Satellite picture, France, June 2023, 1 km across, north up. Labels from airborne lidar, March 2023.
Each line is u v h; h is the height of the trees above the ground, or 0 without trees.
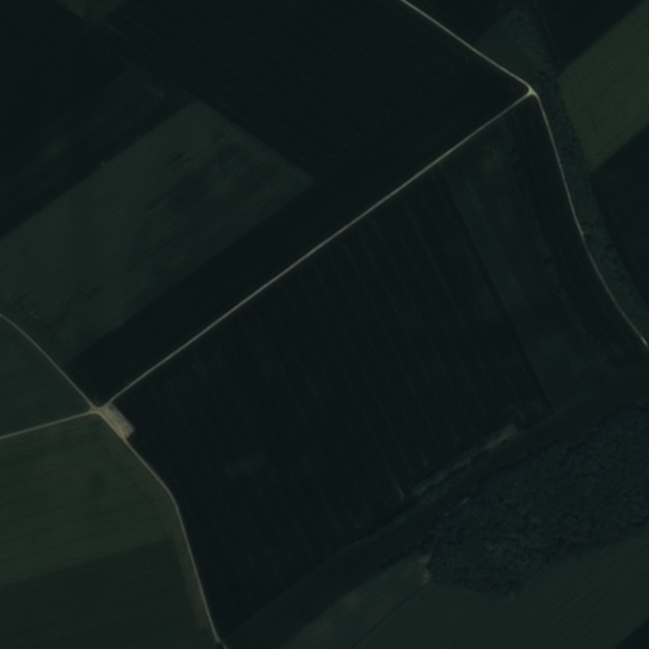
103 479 0
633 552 0
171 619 0
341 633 0
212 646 0
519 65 0
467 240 0
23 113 0
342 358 0
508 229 0
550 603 0
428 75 0
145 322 0
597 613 0
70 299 0
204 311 0
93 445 0
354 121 0
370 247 0
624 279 11
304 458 0
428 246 0
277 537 0
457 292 0
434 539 13
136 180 0
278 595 0
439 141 0
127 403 0
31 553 0
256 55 0
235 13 0
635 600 0
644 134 0
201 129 0
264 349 0
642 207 0
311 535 0
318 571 0
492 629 0
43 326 0
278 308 0
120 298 0
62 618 0
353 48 0
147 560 0
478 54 0
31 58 0
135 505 0
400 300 0
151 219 0
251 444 0
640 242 0
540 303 0
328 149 0
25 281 0
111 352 0
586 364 0
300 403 0
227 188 0
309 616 0
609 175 0
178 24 0
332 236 0
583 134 0
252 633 0
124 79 0
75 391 0
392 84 0
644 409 14
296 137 0
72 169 0
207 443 0
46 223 0
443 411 0
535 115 0
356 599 0
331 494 0
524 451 0
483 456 15
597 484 28
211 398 0
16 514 0
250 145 0
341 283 0
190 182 0
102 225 0
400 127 0
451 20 0
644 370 0
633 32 0
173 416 0
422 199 0
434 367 0
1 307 0
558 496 25
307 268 0
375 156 0
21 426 0
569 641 0
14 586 0
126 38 0
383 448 0
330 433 0
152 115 0
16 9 0
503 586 15
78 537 0
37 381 0
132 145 0
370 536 11
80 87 0
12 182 0
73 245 0
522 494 25
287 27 0
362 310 0
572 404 0
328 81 0
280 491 0
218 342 0
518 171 18
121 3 0
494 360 0
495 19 0
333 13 0
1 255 0
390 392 0
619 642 0
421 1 0
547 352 0
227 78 0
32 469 0
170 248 0
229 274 0
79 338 0
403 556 11
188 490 0
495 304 0
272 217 0
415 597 0
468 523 21
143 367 0
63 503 0
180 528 0
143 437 0
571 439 0
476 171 0
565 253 0
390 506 0
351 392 0
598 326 0
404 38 0
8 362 0
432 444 0
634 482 24
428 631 0
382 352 0
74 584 0
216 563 0
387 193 0
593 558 0
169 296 0
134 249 0
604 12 0
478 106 0
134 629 0
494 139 0
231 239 0
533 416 0
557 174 0
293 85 0
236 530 0
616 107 0
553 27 0
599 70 0
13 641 0
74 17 0
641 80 0
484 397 0
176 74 0
